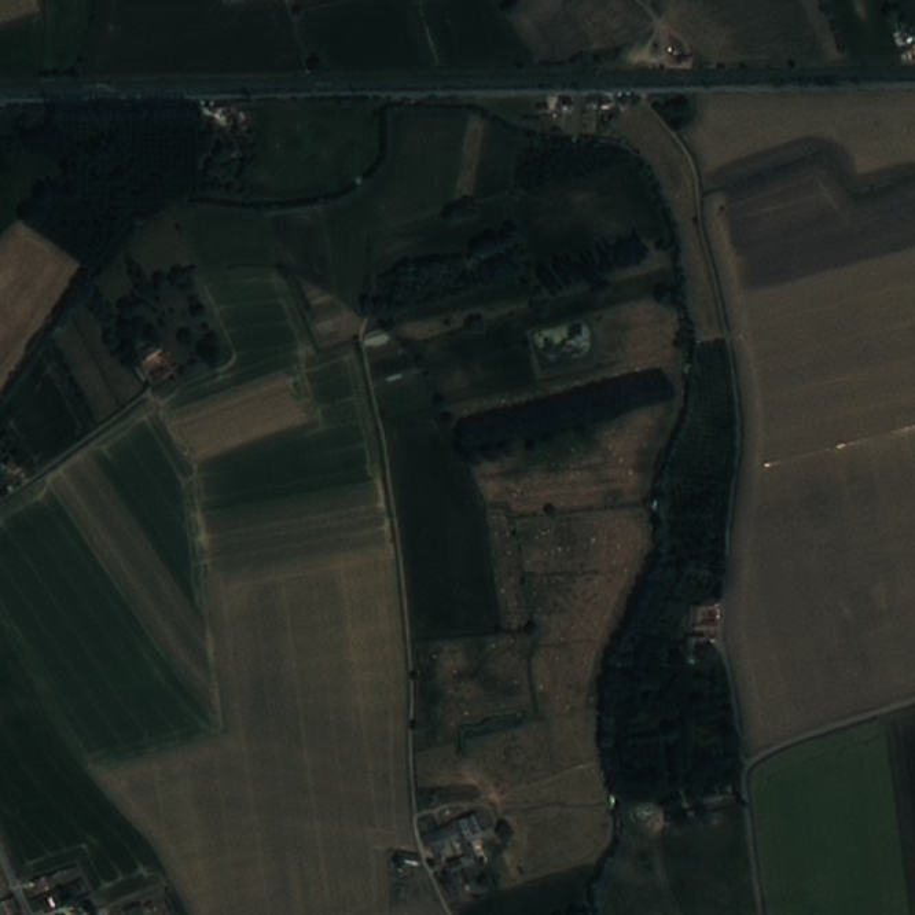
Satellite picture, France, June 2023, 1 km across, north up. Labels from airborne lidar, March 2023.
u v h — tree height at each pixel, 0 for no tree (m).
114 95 0
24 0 0
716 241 0
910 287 0
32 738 0
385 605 0
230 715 0
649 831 0
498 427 30
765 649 0
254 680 0
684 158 0
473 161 0
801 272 0
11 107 6
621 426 0
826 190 0
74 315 0
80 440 0
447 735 0
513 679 0
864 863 0
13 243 0
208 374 0
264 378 0
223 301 0
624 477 0
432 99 5
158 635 0
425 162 0
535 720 0
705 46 0
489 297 0
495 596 0
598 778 0
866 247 0
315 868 0
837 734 0
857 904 0
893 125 0
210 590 0
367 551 0
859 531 0
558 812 0
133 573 0
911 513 0
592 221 0
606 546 0
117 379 0
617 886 0
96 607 0
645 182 0
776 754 0
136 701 0
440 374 0
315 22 0
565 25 0
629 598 0
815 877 0
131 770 0
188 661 0
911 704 0
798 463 0
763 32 0
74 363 0
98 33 0
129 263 6
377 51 0
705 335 0
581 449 0
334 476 0
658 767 0
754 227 0
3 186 0
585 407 30
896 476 0
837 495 0
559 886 0
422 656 0
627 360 0
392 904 0
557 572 0
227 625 0
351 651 0
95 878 0
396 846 0
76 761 0
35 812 0
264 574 0
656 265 0
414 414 0
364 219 0
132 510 0
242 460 0
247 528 0
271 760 0
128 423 0
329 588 0
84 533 0
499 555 0
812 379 0
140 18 0
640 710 18
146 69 0
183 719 0
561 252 0
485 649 0
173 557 0
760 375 0
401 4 0
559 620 0
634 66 0
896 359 0
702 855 0
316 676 0
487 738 0
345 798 0
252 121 0
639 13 0
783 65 0
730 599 0
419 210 0
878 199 0
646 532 0
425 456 0
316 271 0
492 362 0
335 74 0
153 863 0
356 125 0
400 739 0
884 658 0
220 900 0
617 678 32
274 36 0
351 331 0
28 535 0
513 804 0
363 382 0
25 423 0
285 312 0
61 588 0
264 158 0
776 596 0
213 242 0
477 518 0
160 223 0
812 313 0
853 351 0
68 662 0
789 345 0
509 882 0
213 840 0
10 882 0
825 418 0
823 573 0
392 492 0
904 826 0
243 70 0
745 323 0
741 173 0
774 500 0
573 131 0
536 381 0
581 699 0
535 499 0
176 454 0
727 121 0
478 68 0
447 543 0
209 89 0
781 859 0
